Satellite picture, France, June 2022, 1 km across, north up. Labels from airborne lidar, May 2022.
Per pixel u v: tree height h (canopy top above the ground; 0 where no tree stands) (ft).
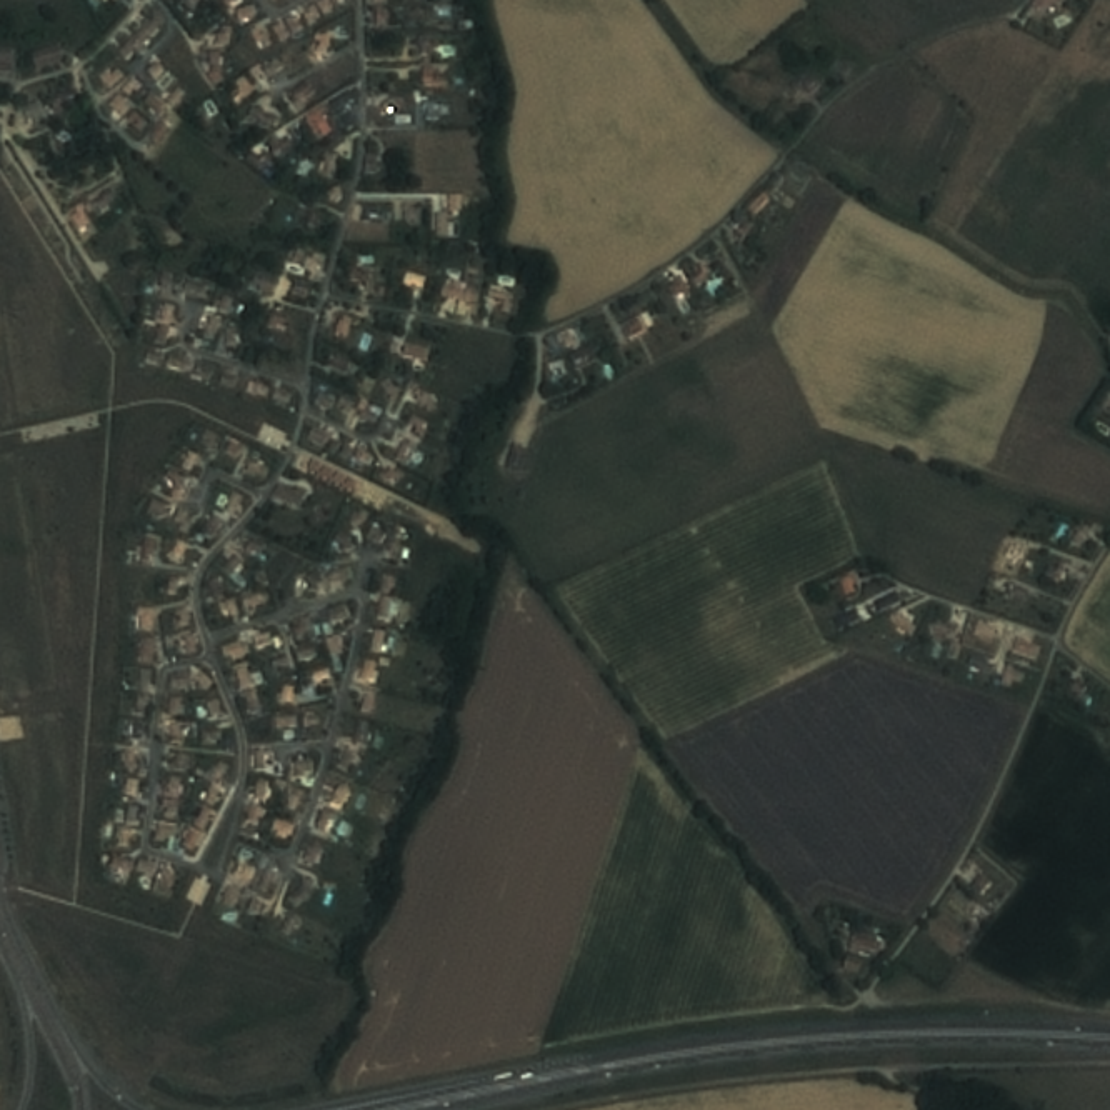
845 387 0
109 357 0
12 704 0
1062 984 0
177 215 58
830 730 0
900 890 0
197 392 0
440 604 50
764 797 0
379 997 0
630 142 0
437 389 0
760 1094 0
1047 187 0
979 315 0
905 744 0
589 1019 0
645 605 0
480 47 20
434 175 0
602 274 0
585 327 23
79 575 0
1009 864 0
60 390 0
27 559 0
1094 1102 0
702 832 0
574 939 0
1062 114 0
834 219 0
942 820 0
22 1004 0
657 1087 0
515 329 46
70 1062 0
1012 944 0
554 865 0
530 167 0
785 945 0
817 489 0
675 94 0
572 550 0
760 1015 0
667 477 0
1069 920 0
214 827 0
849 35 0
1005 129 0
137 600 0
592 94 0
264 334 25
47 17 58
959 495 0
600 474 0
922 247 0
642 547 0
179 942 0
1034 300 0
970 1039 0
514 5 0
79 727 0
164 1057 0
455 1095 0
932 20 0
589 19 0
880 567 29
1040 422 0
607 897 0
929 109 0
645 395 0
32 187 0
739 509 0
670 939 0
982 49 0
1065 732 0
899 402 0
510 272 41
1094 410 41
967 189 0
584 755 0
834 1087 0
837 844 0
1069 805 0
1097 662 0
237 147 29
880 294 0
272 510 23
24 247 0
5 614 0
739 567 0
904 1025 0
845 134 0
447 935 0
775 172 21
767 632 0
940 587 0
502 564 32
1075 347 0
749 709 0
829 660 0
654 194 0
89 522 0
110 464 0
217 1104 0
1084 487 0
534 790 0
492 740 0
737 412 0
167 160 0
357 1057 0
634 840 0
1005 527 0
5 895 0
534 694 0
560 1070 0
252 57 0
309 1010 0
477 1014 0
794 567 0
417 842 0
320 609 0
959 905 0
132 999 0
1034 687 0
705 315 0
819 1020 0
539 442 0
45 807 0
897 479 0
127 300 0
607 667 0
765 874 42
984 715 0
